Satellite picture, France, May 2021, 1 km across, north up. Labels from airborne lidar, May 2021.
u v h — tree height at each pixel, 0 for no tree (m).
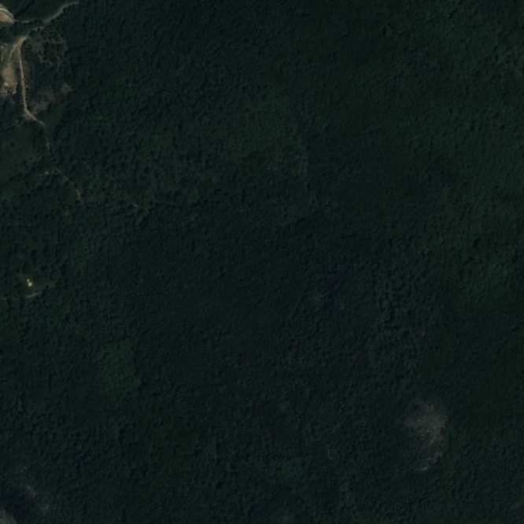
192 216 25
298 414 10
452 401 13
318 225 21
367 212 18
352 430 12
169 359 16
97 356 18
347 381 12
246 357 18
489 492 7
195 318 15
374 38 30
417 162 23
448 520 21
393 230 16
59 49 12
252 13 19
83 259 20
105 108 21
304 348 20
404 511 15
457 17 23
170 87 19
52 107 19
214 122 20
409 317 22
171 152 21
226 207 17
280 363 7
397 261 19
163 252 19
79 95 18
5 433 25
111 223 23
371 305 14
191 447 22
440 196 20
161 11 22
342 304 21
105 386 16
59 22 13
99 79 20
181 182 16
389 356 20
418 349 30
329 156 11
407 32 29
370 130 13
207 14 29
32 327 23
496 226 25
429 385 16
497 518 16
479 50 26
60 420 16
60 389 19
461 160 26
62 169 19
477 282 21
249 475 21
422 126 25
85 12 14
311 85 12
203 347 14
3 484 14
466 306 21
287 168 22
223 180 21
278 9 20
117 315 8
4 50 0
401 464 12
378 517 11
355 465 16
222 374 21
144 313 14
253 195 19
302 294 13
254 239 13
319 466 16
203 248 20
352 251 19
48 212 15
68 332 21
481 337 12
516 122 23
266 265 15
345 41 29
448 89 22
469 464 10
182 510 17
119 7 31
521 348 20
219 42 17
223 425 23
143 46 22
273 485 14
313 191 16
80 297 23
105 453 17
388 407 16
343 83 19
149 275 11
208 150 23
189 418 20
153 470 13
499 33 12
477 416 27
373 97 21
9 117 6
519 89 22
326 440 11
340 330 15
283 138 22
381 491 9
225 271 24
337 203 20
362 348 11
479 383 23
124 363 25
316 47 17
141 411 19
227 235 12
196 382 19
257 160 19
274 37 16
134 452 21
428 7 28
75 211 16
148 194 19
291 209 22
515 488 11
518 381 12
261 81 18
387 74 19
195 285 10
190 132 22
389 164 13
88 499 15
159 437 20
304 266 16
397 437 14
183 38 20
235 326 8
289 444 14
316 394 14
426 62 28
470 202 22
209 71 17
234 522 18
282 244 17
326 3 27
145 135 23
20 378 29
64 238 14
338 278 17
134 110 21
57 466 16
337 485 18
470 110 23
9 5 12
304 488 22
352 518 16
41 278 7
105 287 14
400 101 22
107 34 25
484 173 24
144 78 20
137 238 22
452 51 18
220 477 20
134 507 26
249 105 20
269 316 13
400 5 29
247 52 18
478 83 25
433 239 31
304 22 25
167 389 9
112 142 20
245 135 24
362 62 33
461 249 27
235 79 17
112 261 12
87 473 18
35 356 25
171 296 18
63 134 18
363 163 17
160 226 27
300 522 12
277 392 13
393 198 15
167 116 27
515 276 25
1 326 24
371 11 14
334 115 16
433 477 6
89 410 16
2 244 8
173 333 17
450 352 13
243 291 17
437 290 28
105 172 17
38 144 13
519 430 12
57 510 9
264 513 15
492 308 18
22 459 11
